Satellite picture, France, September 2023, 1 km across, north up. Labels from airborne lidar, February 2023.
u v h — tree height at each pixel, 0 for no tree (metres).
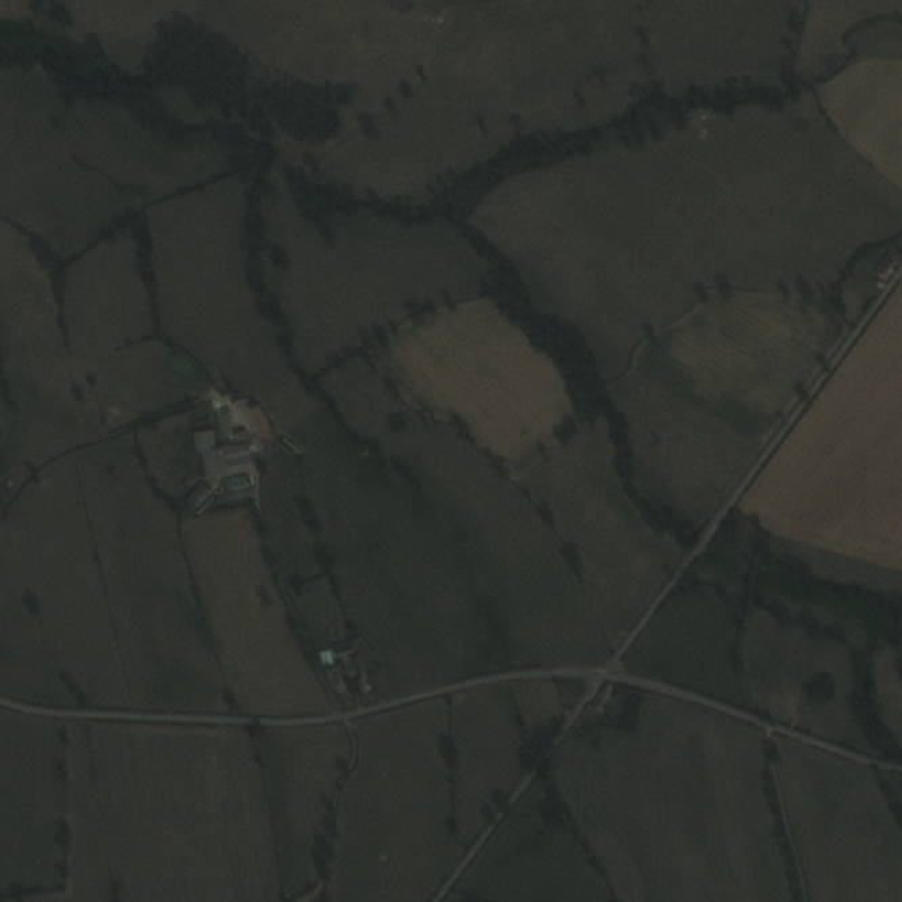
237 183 0
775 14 0
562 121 0
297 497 0
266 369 0
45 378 0
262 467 13
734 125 0
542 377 0
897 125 0
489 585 0
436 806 0
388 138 0
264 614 0
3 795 0
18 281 0
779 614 19
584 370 21
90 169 0
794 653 0
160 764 0
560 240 0
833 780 0
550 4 0
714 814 0
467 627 0
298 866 0
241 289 0
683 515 0
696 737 0
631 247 0
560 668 0
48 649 0
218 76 13
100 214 0
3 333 0
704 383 0
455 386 0
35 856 0
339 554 0
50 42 0
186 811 0
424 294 0
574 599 0
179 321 0
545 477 0
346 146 0
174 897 0
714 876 0
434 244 0
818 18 0
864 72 0
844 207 0
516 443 0
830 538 0
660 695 0
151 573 0
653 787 0
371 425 0
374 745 0
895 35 0
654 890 0
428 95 0
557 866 0
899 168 0
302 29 0
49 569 0
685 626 0
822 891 0
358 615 0
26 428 0
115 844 0
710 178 0
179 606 0
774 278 0
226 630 0
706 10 0
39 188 0
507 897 0
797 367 0
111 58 0
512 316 14
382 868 0
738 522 0
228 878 0
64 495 0
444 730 0
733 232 0
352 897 0
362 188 0
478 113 0
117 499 0
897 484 0
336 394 0
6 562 0
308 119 11
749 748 0
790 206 0
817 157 0
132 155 0
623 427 13
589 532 0
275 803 0
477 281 0
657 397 0
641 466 0
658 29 0
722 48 0
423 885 0
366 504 0
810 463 0
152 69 16
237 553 0
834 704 0
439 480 0
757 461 0
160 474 0
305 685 0
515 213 0
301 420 0
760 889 0
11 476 0
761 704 0
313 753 0
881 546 0
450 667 0
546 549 0
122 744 0
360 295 0
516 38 0
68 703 0
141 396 0
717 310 0
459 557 0
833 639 10
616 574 0
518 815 0
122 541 0
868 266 0
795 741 0
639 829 0
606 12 0
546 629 0
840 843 0
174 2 0
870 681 10
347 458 0
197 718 0
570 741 0
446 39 0
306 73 0
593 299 0
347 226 0
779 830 12
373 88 0
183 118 0
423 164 0
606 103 0
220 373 0
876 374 0
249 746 0
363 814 0
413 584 0
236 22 0
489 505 0
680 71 0
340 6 0
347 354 12
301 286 0
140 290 0
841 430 0
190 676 0
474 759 0
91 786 0
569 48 0
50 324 0
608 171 0
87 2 0
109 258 0
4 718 0
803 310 0
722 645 0
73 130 0
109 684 0
